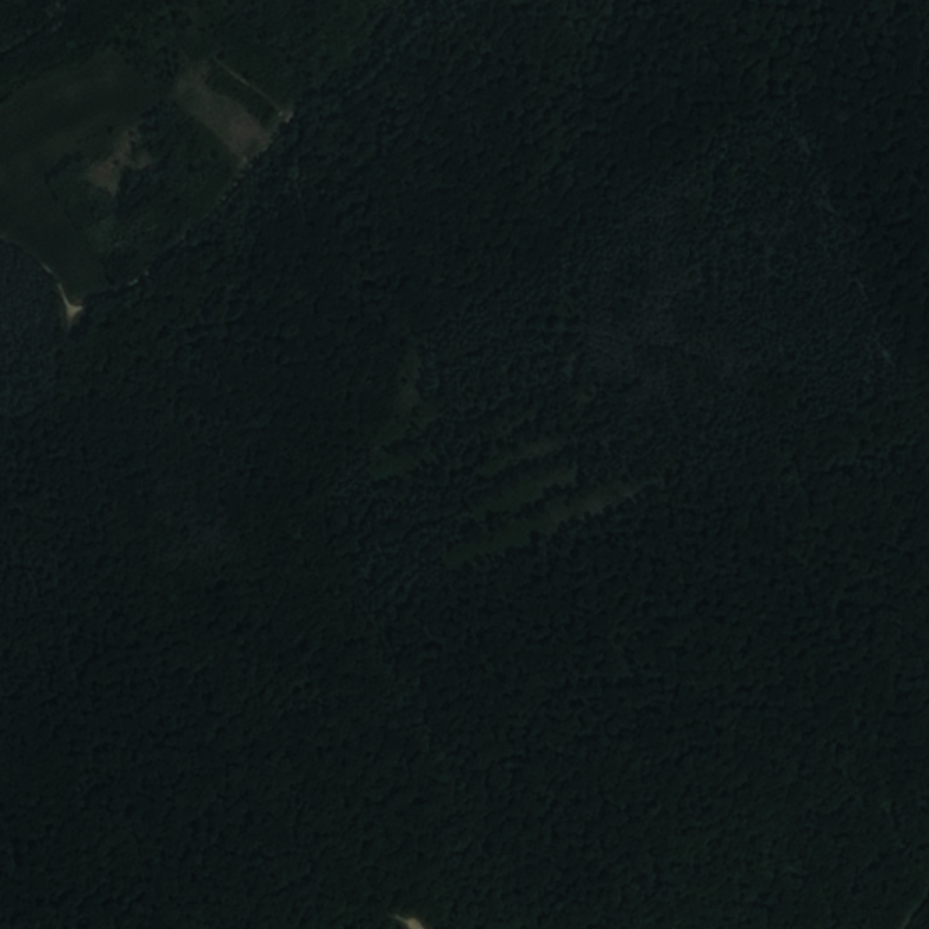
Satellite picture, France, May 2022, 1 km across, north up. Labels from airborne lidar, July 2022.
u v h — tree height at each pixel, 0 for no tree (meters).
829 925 20
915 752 26
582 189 26
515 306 20
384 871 21
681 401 23
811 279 23
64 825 23
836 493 27
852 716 26
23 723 20
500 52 26
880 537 28
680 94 24
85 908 29
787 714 31
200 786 29
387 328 24
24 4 10
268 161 8
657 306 20
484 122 24
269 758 29
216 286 20
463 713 23
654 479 7
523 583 21
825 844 22
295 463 27
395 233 22
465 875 22
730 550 23
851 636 28
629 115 26
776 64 29
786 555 25
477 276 19
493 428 16
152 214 19
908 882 23
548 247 26
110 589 23
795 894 20
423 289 22
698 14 26
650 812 26
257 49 8
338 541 27
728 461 28
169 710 23
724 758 22
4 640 16
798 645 26
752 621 28
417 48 26
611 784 23
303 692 26
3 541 15
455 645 26
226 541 23
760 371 17
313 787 22
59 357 17
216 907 28
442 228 18
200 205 15
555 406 20
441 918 19
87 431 20
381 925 21
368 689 24
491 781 23
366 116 24
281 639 23
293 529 23
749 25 29
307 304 24
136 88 0
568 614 26
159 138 18
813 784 23
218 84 7
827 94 21
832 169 20
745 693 20
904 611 24
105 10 14
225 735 30
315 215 23
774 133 17
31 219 0
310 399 23
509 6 9
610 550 23
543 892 21
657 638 31
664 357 23
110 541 20
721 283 22
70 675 24
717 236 25
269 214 23
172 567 21
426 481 22
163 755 27
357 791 25
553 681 27
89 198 16
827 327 24
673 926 20
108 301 19
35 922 25
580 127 25
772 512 23
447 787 20
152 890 29
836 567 27
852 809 25
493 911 23
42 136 0
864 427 28
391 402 18
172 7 20
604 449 23
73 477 18
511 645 26
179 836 28
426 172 23
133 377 19
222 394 16
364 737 22
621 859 25
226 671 28
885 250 21
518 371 17
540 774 25
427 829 18
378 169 27
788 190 20
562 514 0
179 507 19
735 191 23
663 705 27
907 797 22
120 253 16
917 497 26
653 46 27
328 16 16
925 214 23
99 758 22
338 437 24
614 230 19
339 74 14
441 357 20
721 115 28
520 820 22
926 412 25
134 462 21
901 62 28
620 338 21
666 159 24
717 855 25
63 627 15
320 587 23
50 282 20
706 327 17
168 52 19
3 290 28
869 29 29
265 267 26
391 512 19
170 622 19
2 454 14
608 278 14
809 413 25
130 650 23
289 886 20
